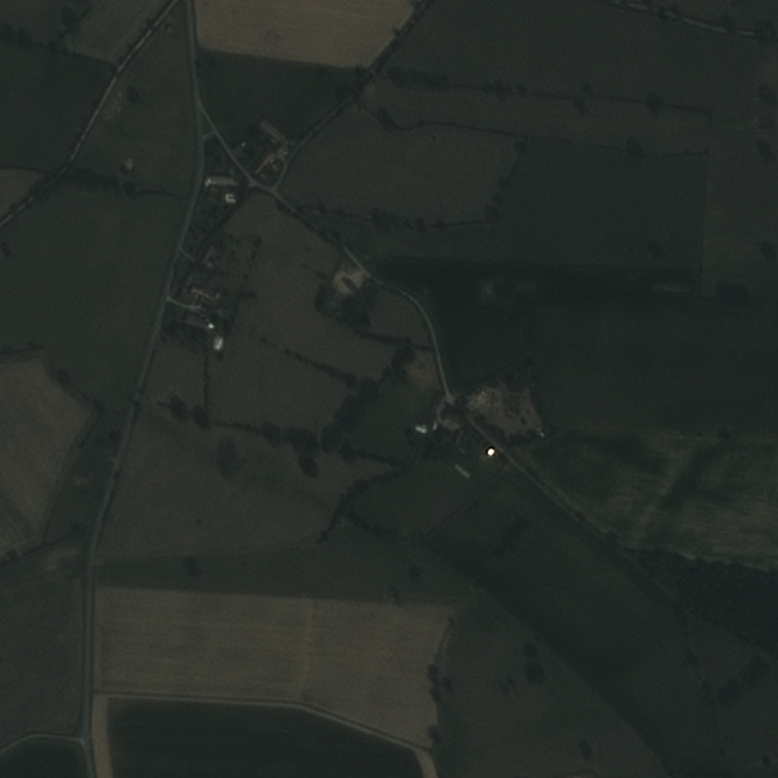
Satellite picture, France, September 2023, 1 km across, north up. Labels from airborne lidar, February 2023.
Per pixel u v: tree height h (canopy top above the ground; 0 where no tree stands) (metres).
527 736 0
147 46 0
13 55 0
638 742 0
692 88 0
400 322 0
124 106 0
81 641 0
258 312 0
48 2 0
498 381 6
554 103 0
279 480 0
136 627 0
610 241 0
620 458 0
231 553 0
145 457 0
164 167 0
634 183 0
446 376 0
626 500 0
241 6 0
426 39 0
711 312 0
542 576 0
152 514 0
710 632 0
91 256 0
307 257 0
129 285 0
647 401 0
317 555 0
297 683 0
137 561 0
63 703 0
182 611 0
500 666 0
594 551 0
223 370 0
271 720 0
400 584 0
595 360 0
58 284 0
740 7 0
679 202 0
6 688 0
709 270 0
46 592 0
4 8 0
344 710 0
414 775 0
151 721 0
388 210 0
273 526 0
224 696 0
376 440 0
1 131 0
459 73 0
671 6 0
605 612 0
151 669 0
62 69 0
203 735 0
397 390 0
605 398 0
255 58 0
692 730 0
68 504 0
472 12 0
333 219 0
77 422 0
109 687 0
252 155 8
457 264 0
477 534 0
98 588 0
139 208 0
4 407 0
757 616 14
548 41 0
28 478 0
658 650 0
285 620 0
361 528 8
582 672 0
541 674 21
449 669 0
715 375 0
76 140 7
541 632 0
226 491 0
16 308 0
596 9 0
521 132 0
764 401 0
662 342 0
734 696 16
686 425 0
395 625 0
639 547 0
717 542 0
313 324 0
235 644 0
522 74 0
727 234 0
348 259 0
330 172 0
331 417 0
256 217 0
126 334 0
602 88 0
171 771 0
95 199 0
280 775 0
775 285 0
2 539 0
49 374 0
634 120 0
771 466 0
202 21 0
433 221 0
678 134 0
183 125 0
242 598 0
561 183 0
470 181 0
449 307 0
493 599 0
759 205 0
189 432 0
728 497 0
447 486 0
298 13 0
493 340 0
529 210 0
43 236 0
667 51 0
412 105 0
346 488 0
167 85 0
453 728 0
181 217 0
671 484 0
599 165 0
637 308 0
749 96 0
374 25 0
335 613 0
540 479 8
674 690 0
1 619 0
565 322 0
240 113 0
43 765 0
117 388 0
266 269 0
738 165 0
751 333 0
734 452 0
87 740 0
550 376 0
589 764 0
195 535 0
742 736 0
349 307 8
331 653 0
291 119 0
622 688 0
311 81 0
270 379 0
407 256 0
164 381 0
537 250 0
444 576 0
